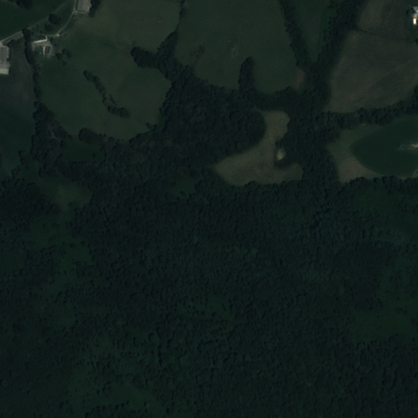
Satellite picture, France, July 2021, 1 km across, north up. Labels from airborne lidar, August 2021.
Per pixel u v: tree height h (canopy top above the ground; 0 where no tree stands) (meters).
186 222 16
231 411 9
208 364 9
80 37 0
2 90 0
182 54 0
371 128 0
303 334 17
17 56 0
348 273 13
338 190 19
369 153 0
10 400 5
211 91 11
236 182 0
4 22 0
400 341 11
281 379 21
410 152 0
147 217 12
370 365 22
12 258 14
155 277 21
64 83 0
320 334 16
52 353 12
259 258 16
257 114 23
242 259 10
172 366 21
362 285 10
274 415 10
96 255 15
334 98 0
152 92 0
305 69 11
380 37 0
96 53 0
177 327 18
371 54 0
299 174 0
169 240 12
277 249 10
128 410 20
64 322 0
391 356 21
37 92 15
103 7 0
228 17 0
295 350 16
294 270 10
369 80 0
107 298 15
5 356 7
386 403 12
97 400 0
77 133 0
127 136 0
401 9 0
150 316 12
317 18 0
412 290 9
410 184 22
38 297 17
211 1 0
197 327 14
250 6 0
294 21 16
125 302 14
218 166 0
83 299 8
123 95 0
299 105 15
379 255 11
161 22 0
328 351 28
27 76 0
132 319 13
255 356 12
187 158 15
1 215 27
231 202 18
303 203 22
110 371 16
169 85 0
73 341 9
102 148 8
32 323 13
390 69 0
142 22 0
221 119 20
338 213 9
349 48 0
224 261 15
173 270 8
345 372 18
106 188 16
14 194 24
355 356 24
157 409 0
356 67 0
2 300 12
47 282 11
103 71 0
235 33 0
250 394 10
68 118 0
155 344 12
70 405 10
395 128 0
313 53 0
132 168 21
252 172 0
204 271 17
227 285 14
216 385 10
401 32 0
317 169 28
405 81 0
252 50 0
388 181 27
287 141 10
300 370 9
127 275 22
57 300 7
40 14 0
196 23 0
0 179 27
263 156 0
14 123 0
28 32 16
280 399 11
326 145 11
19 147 0
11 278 17
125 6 0
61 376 9
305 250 9
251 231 13
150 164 24
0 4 0
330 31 7
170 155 40
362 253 13
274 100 9
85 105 0
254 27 0
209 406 16
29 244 13
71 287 7
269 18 0
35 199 25
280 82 0
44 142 25
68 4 0
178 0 0
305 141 22
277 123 0
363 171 0
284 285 12
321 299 12
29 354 11
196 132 20
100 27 0
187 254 10
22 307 11
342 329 6
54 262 15
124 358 9
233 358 22
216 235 15
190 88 36
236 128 27
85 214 21
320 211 13
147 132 0
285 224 9
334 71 0
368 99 0
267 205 19
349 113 6
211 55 0
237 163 0
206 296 11
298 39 15
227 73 0
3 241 16
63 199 0
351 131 12
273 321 17
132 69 0
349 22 14
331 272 11
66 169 24
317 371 16
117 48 0
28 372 8
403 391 22
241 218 15
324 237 15
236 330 10
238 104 20
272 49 0
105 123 0
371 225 12
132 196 28
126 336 12
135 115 0
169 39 18
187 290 9
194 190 0
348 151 0
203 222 17
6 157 0
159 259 10
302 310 14
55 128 25
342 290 16
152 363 10
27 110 0
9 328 12
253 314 20
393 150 0
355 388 20
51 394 6
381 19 0
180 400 6
